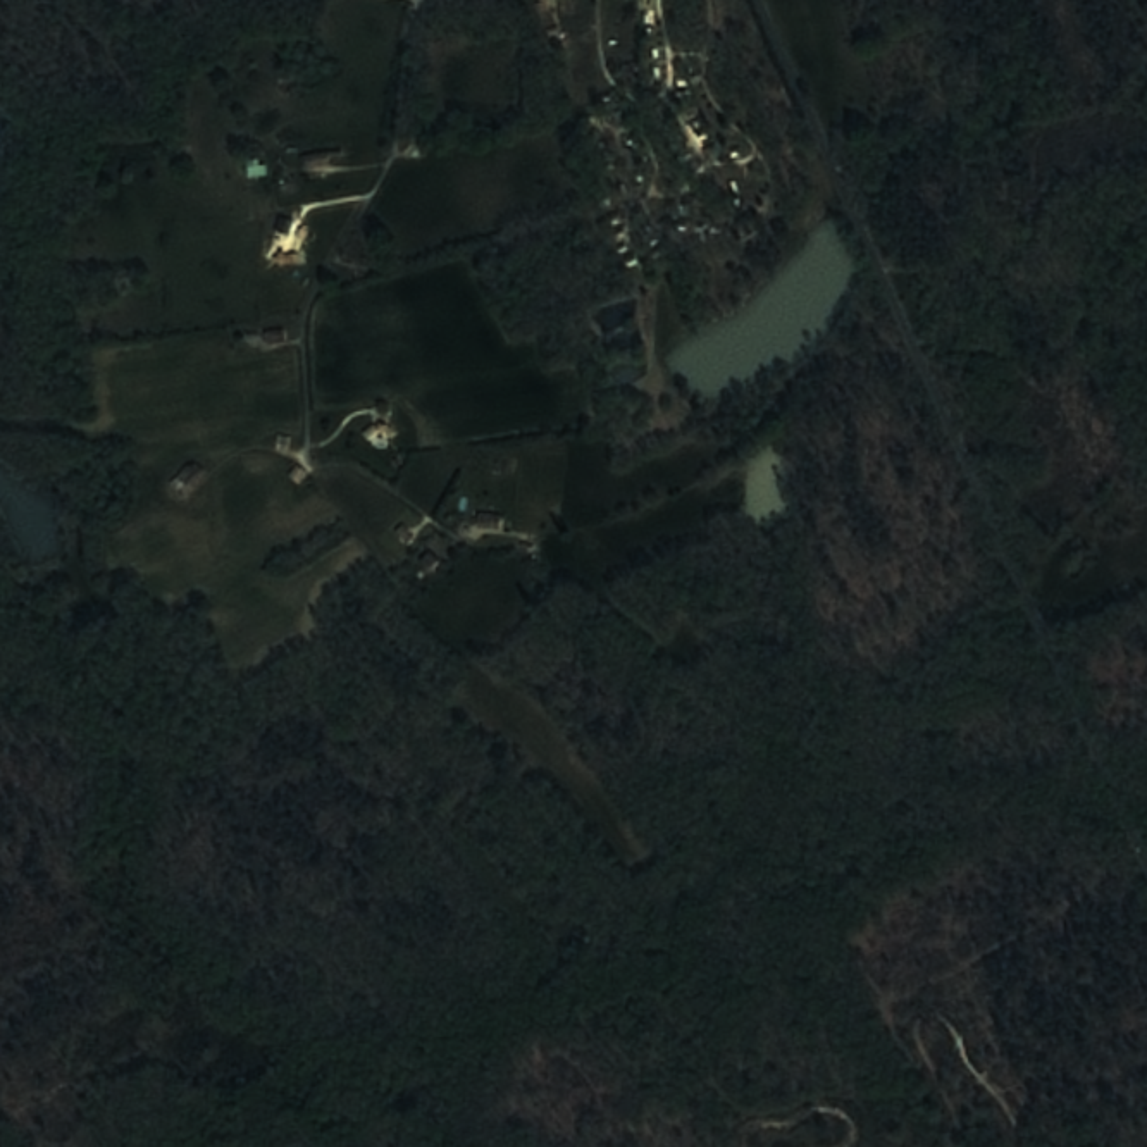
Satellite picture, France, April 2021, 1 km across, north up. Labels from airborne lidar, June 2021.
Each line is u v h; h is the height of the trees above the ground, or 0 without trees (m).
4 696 16
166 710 18
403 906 24
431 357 0
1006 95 26
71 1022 8
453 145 20
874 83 8
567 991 21
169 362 0
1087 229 21
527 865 14
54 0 18
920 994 7
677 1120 18
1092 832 20
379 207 0
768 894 19
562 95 16
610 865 25
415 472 0
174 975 18
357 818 15
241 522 0
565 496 0
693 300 22
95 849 24
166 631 18
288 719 12
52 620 16
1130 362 18
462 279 0
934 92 9
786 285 0
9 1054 13
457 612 0
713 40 18
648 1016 15
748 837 16
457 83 0
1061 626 21
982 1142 14
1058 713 23
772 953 19
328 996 21
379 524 0
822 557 17
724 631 12
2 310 16
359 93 0
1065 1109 19
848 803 20
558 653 14
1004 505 21
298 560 10
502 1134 17
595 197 16
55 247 20
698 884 22
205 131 0
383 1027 23
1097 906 23
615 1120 15
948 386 11
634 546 0
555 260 16
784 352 0
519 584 0
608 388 17
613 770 16
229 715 19
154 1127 23
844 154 16
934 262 24
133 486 10
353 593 18
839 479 14
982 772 20
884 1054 22
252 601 0
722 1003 20
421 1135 22
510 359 0
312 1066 18
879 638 17
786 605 18
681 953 21
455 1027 23
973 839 20
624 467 18
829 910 22
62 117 21
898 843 21
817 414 22
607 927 22
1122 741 15
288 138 0
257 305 0
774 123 18
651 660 15
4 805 17
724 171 11
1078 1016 24
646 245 18
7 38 17
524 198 0
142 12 16
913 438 6
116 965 17
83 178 19
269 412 0
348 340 0
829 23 0
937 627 13
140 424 0
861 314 15
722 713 21
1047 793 19
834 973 21
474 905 16
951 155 27
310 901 15
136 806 22
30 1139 15
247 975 23
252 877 13
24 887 16
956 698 26
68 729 16
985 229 24
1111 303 24
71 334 19
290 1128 14
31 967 15
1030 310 12
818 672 19
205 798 21
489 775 13
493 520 0
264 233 0
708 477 16
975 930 9
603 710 9
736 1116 8
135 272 15
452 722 18
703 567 21
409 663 18
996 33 27
